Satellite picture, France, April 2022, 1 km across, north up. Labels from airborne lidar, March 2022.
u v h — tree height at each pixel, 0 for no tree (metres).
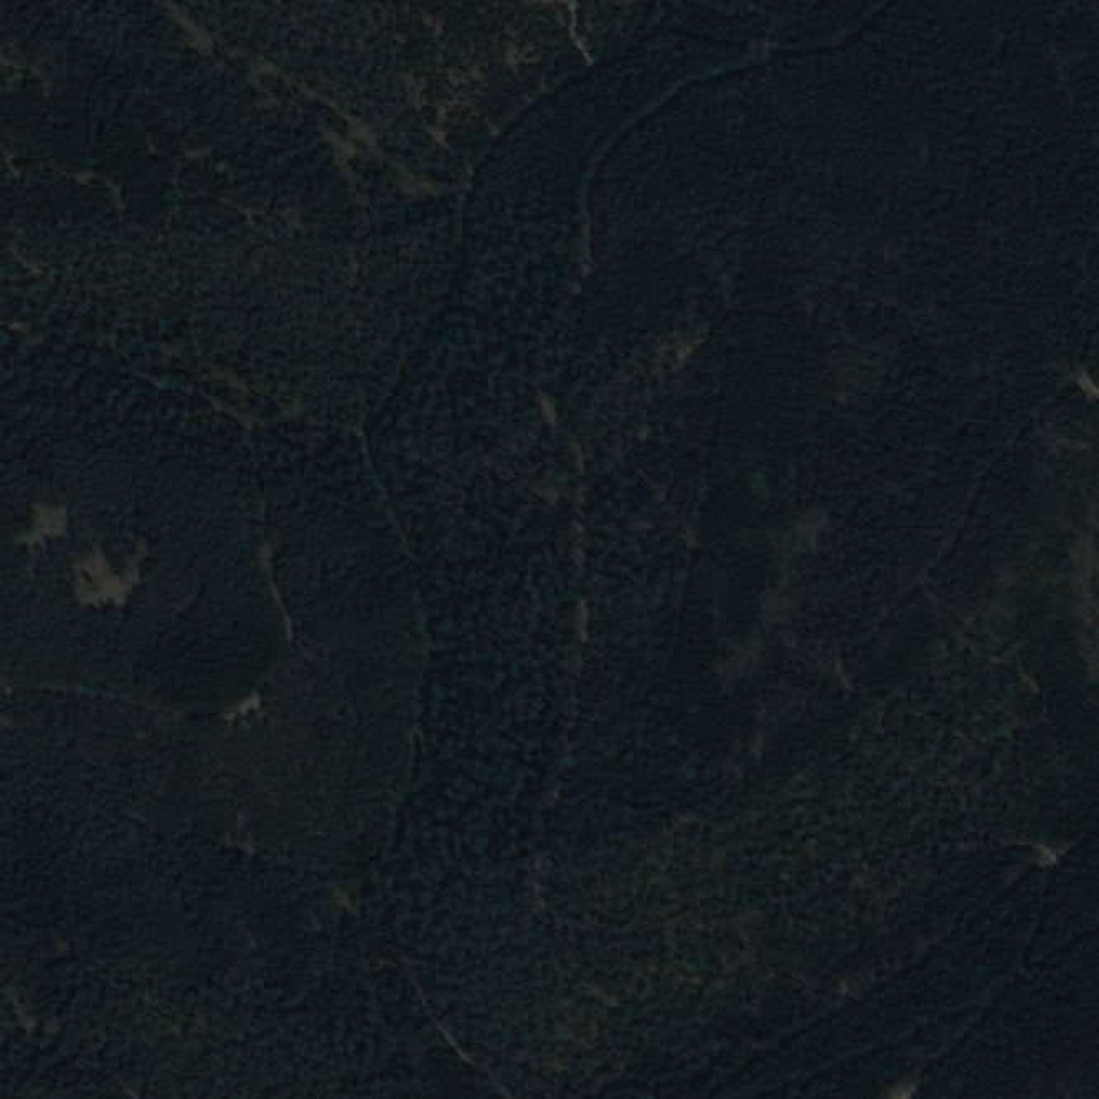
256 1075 21
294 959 23
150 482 23
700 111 22
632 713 6
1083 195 22
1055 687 13
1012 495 24
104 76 18
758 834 30
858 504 25
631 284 8
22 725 23
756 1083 24
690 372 9
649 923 28
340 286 23
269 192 13
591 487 9
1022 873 16
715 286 11
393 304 28
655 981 17
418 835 27
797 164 19
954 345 21
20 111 18
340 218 6
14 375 26
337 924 29
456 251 20
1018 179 22
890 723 17
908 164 21
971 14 16
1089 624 15
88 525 26
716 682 18
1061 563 14
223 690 28
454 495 30
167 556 24
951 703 28
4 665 17
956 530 18
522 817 19
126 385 24
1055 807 10
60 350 29
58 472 28
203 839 31
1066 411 21
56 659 19
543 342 31
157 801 20
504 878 31
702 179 19
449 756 28
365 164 12
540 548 10
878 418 26
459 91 11
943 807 26
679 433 9
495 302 16
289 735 19
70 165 13
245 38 8
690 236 13
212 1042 13
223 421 28
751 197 17
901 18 22
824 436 21
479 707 28
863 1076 24
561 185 15
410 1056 22
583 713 10
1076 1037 24
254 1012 12
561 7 12
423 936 14
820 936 32
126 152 15
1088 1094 20
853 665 19
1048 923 24
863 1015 24
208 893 22
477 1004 35
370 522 30
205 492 27
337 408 30
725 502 17
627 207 12
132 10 20
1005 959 25
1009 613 11
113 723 22
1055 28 17
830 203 18
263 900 30
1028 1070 26
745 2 11
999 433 22
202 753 21
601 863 25
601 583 27
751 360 15
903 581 25
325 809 19
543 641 8
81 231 20
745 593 16
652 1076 12
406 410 20
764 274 17
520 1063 36
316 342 28
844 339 20
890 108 20
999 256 21
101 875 27
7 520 26
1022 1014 22
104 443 20
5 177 16
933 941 26
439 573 33
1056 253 18
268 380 32
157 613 20
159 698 21
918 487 23
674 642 16
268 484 18
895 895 30
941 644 20
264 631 25
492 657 31
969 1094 18
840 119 23
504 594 14
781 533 17
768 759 15
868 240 17
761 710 15
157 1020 21
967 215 21
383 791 28
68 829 31
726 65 24
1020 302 20
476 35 18
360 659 23
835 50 18
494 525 7
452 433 29
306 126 19
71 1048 34
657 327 13
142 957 18
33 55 20
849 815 26
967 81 21
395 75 28
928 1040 19
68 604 23
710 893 16
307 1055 30
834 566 22
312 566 26
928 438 22
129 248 24
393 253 15
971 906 20
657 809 11
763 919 25
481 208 27
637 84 25
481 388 21
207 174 10
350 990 28
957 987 22
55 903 23
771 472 18
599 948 35
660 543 21
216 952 18
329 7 28
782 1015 19
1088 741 15
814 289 25
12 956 23
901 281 21
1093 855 21
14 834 23
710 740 18
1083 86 22
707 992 19
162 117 14
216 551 26
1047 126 18
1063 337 24
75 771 25
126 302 32
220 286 26
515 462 33
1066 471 20
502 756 29
